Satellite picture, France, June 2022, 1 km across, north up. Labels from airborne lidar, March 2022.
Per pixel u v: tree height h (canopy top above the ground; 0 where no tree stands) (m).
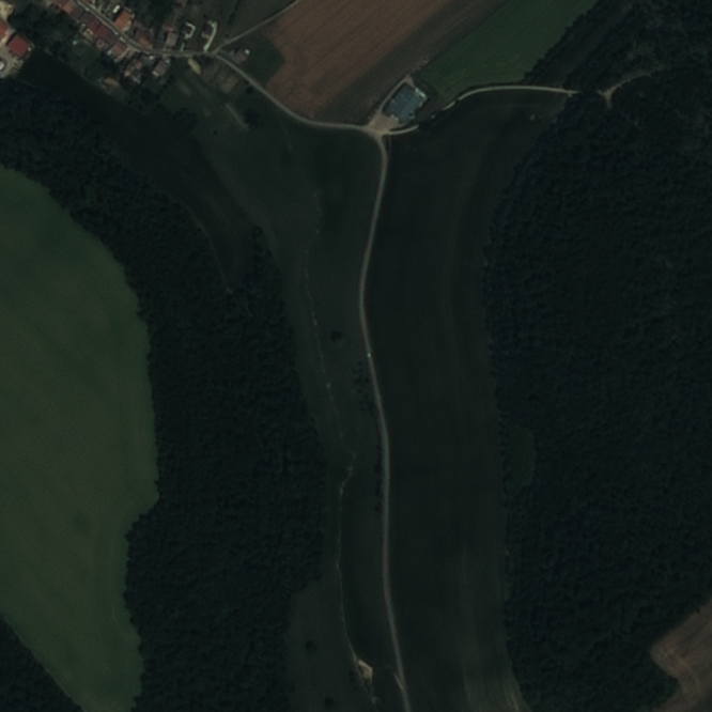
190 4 6
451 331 0
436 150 0
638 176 19
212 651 12
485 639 0
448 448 0
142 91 9
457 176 0
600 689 11
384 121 0
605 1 15
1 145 22
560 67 0
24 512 0
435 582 0
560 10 0
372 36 0
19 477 0
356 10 0
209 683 27
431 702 0
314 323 0
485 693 0
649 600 21
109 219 24
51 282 0
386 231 0
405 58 0
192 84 0
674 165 16
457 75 0
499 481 0
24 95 30
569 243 9
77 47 0
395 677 0
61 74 0
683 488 19
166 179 0
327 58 0
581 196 10
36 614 0
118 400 0
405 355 0
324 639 0
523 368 25
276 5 0
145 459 0
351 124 0
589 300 14
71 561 0
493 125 0
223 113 0
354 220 0
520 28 0
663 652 0
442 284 0
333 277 0
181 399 7
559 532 24
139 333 0
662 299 21
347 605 0
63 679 0
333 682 0
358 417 0
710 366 19
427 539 0
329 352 0
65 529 0
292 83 0
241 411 17
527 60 0
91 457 0
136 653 0
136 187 22
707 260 19
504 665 0
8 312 0
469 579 0
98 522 0
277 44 0
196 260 28
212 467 9
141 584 21
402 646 0
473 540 0
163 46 0
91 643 0
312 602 0
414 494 0
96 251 0
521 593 16
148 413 0
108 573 0
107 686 0
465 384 0
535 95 0
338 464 0
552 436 19
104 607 0
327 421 0
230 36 0
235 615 21
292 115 0
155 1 15
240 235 0
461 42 0
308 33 0
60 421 0
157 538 20
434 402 0
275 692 28
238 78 0
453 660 0
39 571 0
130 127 0
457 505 0
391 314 0
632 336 21
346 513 0
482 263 0
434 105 0
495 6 0
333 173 0
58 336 0
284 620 22
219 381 17
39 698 16
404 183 0
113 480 0
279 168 0
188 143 0
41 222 0
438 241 0
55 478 0
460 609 0
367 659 0
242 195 0
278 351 24
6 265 0
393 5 0
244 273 0
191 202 0
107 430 0
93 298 0
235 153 0
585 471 21
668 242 22
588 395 16
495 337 19
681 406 18
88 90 0
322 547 19
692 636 0
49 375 0
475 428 0
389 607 0
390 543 0
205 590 21
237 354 13
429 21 0
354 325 0
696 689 0
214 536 25
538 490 17
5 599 0
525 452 0
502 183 0
